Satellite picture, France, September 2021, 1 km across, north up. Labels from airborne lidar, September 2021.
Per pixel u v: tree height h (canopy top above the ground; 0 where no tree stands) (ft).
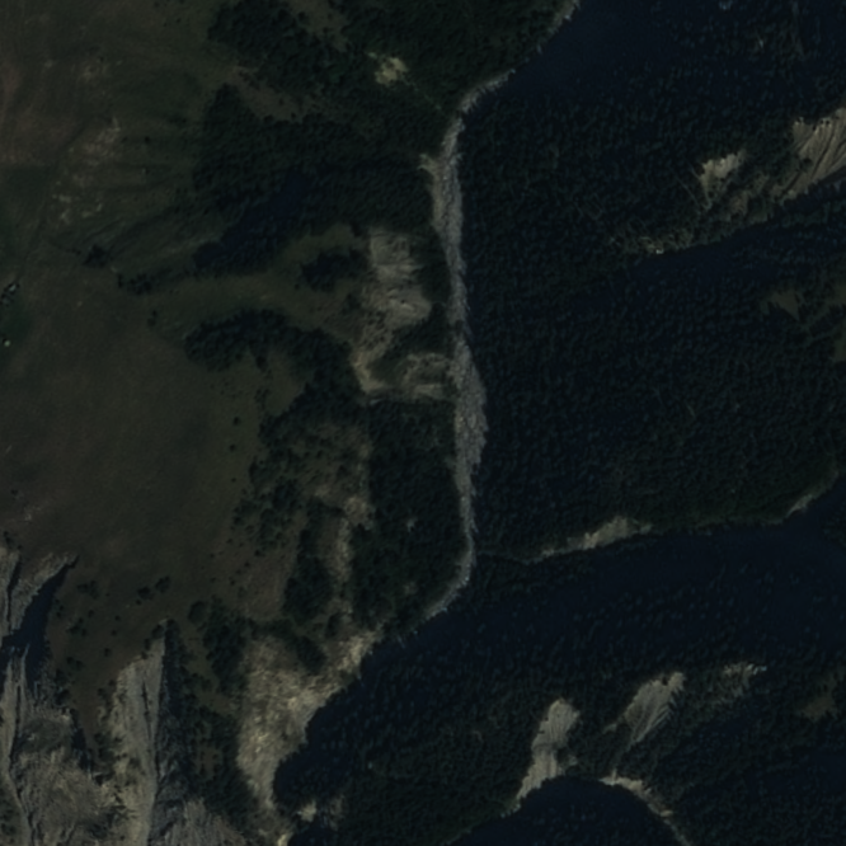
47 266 0
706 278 32
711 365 71
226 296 0
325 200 62
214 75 0
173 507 0
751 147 83
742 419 67
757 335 127
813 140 0
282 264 0
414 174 47
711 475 71
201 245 0
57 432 0
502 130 29
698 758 64
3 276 0
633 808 38
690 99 31
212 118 33
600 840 105
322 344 93
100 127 0
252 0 54
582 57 0
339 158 27
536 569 25
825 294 80
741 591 24
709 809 76
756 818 85
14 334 0
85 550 0
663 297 82
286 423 55
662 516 59
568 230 27
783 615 38
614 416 30
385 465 41
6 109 0
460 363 0
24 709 0
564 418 26
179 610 0
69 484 0
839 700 39
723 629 103
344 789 61
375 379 0
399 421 39
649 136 45
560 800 29
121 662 0
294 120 31
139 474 0
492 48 36
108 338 0
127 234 0
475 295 66
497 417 55
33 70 0
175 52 0
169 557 0
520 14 22
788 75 26
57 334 0
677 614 26
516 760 58
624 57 47
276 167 24
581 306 33
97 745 23
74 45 0
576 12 0
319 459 25
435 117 25
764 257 56
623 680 52
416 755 78
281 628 18
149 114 0
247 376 0
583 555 32
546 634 24
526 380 40
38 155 0
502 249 69
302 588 21
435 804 88
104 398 0
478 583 39
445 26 45
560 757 36
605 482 30
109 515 0
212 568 0
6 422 0
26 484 0
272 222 58
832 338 40
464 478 0
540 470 98
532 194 57
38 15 0
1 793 24
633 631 76
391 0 24
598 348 93
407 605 22
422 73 35
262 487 51
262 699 0
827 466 34
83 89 0
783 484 34
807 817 98
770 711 69
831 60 76
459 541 33
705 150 97
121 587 0
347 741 34
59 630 0
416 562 34
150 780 0
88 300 0
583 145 80
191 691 41
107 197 0
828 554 0
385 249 0
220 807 70
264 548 36
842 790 87
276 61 32
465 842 24
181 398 0
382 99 33
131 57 0
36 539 0
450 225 0
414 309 0
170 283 0
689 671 68
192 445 0
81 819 0
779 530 0
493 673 81
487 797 24
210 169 31
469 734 60
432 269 33
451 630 54
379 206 49
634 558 36
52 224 0
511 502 84
